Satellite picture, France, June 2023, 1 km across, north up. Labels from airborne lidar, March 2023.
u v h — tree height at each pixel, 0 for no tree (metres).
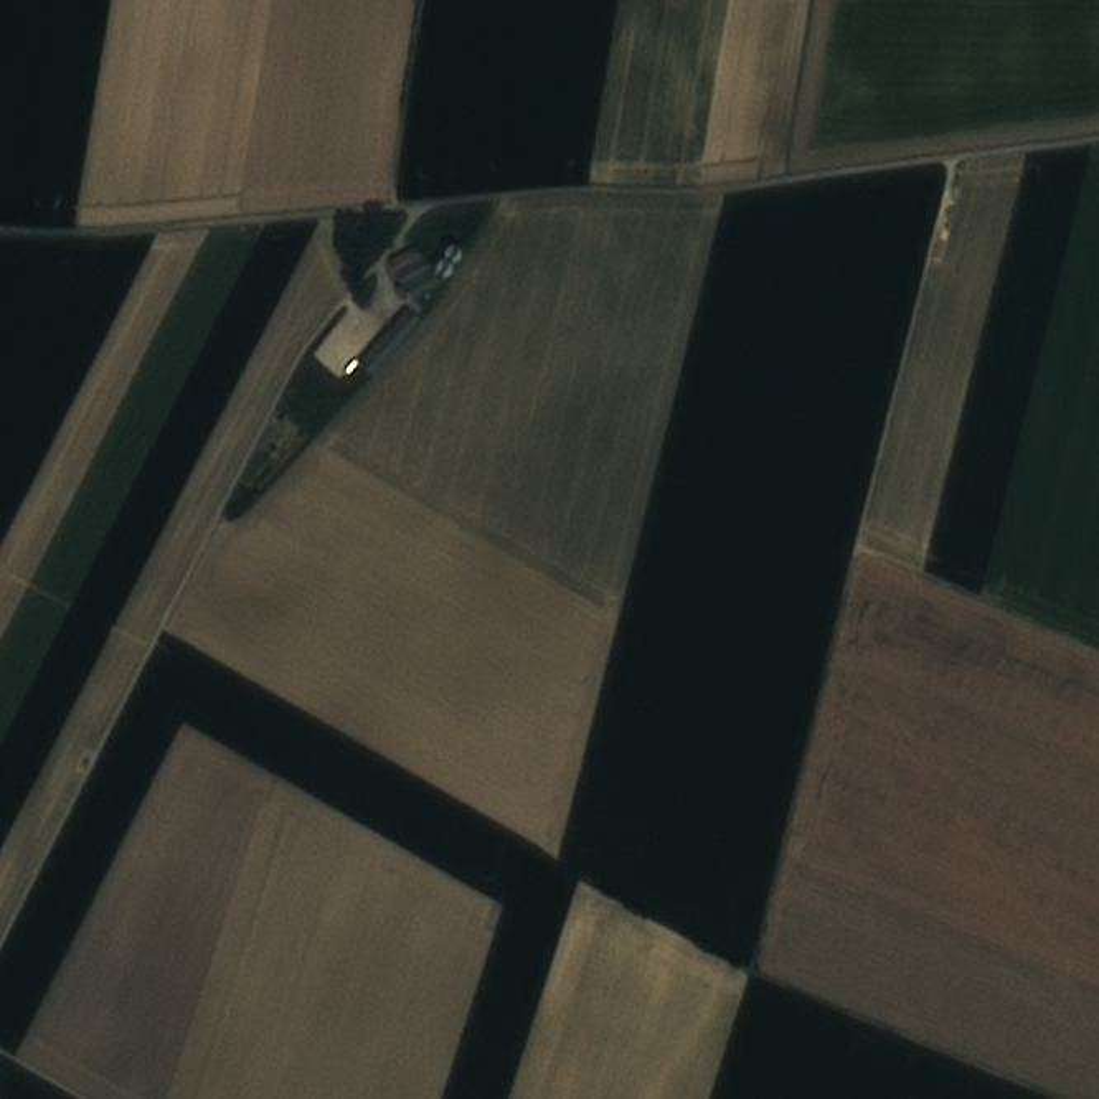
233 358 0
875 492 0
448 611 0
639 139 0
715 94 0
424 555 0
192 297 0
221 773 0
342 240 13
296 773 0
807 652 0
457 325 0
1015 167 0
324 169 0
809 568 0
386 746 0
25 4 0
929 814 0
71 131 0
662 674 0
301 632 0
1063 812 0
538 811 0
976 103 0
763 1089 0
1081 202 0
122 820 0
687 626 0
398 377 0
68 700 0
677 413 0
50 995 0
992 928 0
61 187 0
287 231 0
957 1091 0
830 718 0
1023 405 0
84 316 0
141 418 0
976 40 0
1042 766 0
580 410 0
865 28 0
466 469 0
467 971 0
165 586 0
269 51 0
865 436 0
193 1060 0
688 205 0
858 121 0
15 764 0
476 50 0
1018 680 0
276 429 0
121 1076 0
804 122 0
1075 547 0
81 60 0
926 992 0
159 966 0
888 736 0
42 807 0
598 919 0
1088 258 0
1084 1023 0
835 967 0
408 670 0
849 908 0
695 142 0
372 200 0
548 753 0
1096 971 0
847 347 0
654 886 0
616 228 0
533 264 0
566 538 0
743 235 0
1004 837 0
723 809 0
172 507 0
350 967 0
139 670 0
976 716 0
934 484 0
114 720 0
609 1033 0
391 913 0
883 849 0
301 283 0
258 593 0
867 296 0
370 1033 0
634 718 0
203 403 0
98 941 0
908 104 0
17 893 0
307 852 0
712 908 0
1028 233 0
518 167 0
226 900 0
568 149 0
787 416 0
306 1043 0
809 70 0
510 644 0
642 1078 0
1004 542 0
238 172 0
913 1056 0
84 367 0
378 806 0
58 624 0
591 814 0
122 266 0
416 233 0
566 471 0
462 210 0
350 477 0
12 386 0
